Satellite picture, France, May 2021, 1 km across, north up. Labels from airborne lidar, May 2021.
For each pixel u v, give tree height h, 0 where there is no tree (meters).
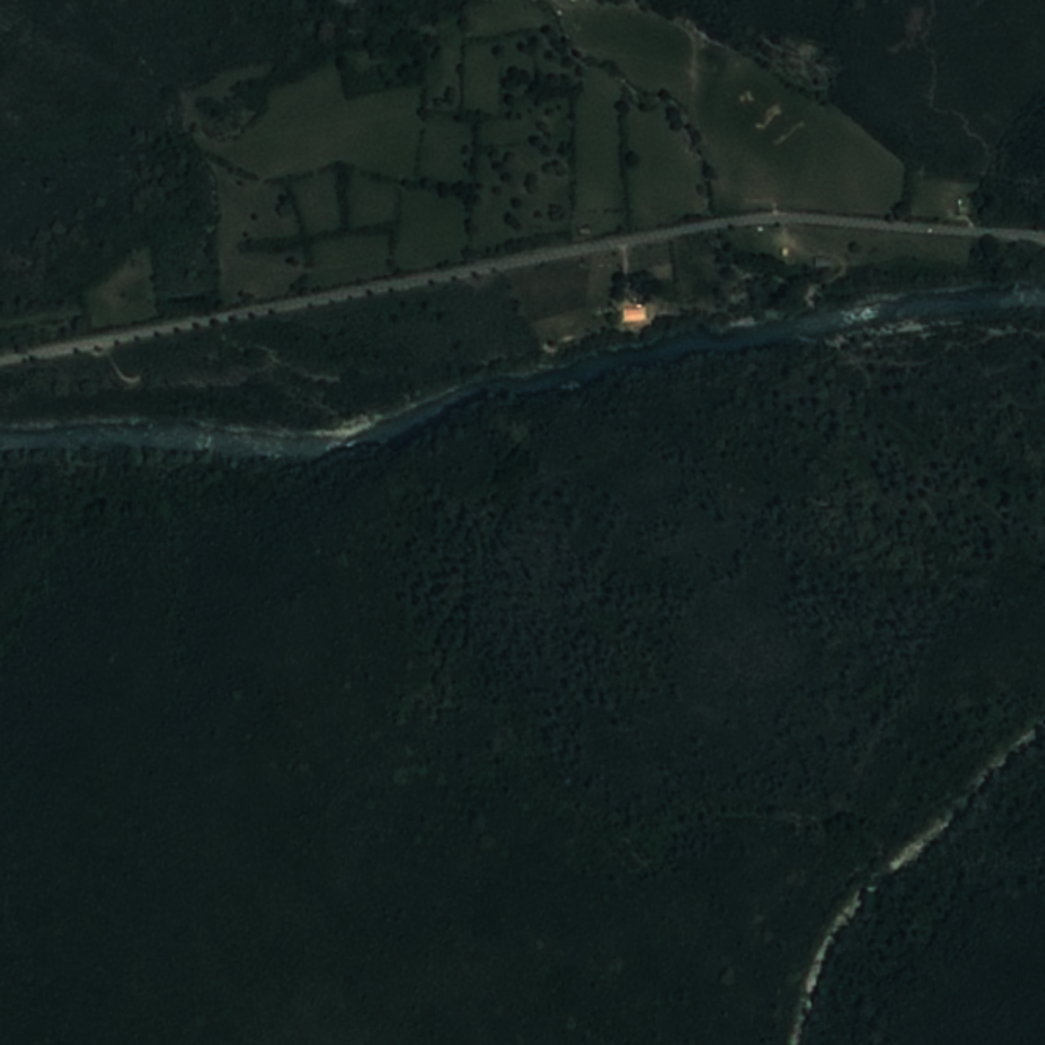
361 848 7
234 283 0
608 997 7
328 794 9
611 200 0
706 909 6
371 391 5
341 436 0
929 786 7
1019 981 7
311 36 7
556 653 8
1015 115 9
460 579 23
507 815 7
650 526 5
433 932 6
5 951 7
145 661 5
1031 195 9
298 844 7
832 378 9
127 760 6
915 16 0
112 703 7
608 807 6
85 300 6
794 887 8
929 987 7
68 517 15
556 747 17
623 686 10
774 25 6
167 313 6
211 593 6
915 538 18
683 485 7
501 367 13
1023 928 6
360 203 0
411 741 10
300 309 0
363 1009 6
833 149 0
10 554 13
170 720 8
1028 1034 5
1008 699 16
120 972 6
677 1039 9
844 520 7
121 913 5
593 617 17
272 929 7
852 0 14
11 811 7
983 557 18
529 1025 9
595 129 0
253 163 0
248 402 7
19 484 8
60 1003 8
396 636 5
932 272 8
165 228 6
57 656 6
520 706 8
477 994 7
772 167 0
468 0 10
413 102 0
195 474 12
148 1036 7
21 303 14
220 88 0
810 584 8
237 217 0
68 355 0
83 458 7
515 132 0
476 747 7
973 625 6
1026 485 12
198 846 6
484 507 19
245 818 7
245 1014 6
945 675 6
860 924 18
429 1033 6
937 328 6
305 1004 6
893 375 17
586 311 0
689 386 8
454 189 9
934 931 8
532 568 23
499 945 7
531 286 0
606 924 7
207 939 6
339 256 0
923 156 6
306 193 0
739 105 0
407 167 0
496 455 7
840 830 20
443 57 10
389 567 9
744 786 17
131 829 7
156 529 8
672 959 8
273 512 10
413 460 7
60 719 6
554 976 6
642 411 6
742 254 13
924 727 9
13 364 0
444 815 9
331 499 9
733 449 6
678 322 18
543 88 16
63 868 7
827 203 0
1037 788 10
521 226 9
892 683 10
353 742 8
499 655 6
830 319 0
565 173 14
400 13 8
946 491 8
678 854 18
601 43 0
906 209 15
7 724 7
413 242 0
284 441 0
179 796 6
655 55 0
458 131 0
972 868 7
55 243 13
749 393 7
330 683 7
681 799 7
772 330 0
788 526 21
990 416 8
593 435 6
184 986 6
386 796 9
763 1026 6
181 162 19
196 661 7
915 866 7
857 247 11
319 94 0
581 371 0
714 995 9
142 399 7
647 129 0
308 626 6
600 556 20
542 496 16
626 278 17
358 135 0
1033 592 8
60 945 6
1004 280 17
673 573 7
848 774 7
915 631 9
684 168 0
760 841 6
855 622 25
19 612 14
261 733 8
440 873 6
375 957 6
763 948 6
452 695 12
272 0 11
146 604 6
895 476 17
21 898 7
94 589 6
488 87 0
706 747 10
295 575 6
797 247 0
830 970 8
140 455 14
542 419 13
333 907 8
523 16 0
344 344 6
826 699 15
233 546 6
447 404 0
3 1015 7
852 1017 10
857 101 6
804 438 6
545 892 8
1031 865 8
